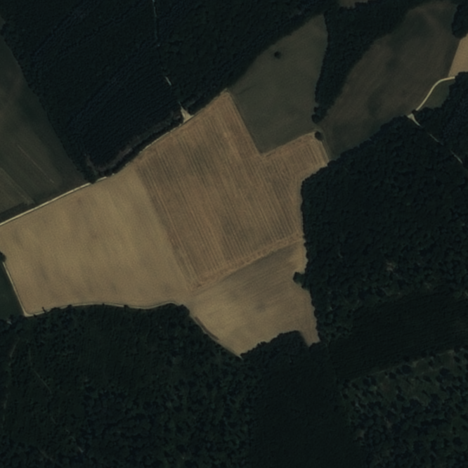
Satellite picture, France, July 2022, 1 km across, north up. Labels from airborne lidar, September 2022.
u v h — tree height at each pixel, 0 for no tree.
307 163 0
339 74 18
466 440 0
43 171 0
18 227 0
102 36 13
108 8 13
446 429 34
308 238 19
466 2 20
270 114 0
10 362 29
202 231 0
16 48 18
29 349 11
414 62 0
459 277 33
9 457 25
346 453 15
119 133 14
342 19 24
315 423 14
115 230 0
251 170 0
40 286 0
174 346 27
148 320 6
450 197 32
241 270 0
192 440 8
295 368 16
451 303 8
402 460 30
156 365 8
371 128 0
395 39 0
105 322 7
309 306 0
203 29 24
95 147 16
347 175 27
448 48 0
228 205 0
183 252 0
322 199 18
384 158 25
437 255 32
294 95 0
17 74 0
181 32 23
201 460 33
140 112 16
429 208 30
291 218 0
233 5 21
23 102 0
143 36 11
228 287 0
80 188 0
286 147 0
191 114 11
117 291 0
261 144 0
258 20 20
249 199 0
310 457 16
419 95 0
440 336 7
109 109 16
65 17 8
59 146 0
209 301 0
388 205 29
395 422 29
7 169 0
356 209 25
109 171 12
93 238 0
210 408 8
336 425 15
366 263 32
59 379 6
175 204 0
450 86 0
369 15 23
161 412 29
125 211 0
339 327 24
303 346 19
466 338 8
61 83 13
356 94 0
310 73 0
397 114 0
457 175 29
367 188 20
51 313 6
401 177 32
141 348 8
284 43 0
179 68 23
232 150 0
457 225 34
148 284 0
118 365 5
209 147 0
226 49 25
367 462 12
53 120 13
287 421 15
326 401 19
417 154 30
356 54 18
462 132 29
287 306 0
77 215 0
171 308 12
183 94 22
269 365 23
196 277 0
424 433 26
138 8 21
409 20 0
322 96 20
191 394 12
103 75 11
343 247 29
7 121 0
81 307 0
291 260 0
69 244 0
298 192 0
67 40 12
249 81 0
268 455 19
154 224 0
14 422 7
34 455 28
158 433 32
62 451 8
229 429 32
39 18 12
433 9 0
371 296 32
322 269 29
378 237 31
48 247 0
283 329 0
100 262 0
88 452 31
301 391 18
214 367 11
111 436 34
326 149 0
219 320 0
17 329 30
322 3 21
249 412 24
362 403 30
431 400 32
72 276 0
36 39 14
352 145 0
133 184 0
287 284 0
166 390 8
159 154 0
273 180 0
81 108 10
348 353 6
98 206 0
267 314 0
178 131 0
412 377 39
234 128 0
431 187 34
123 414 36
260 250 0
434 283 34
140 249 0
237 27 20
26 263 0
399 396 0
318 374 18
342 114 0
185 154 0
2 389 27
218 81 21
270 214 0
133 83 15
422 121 18
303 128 0
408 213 33
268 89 0
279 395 16
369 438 25
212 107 0
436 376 0
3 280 0
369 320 9
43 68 22
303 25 13
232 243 0
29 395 7
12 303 0
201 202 0
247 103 0
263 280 0
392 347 8
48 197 0
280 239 0
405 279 32
